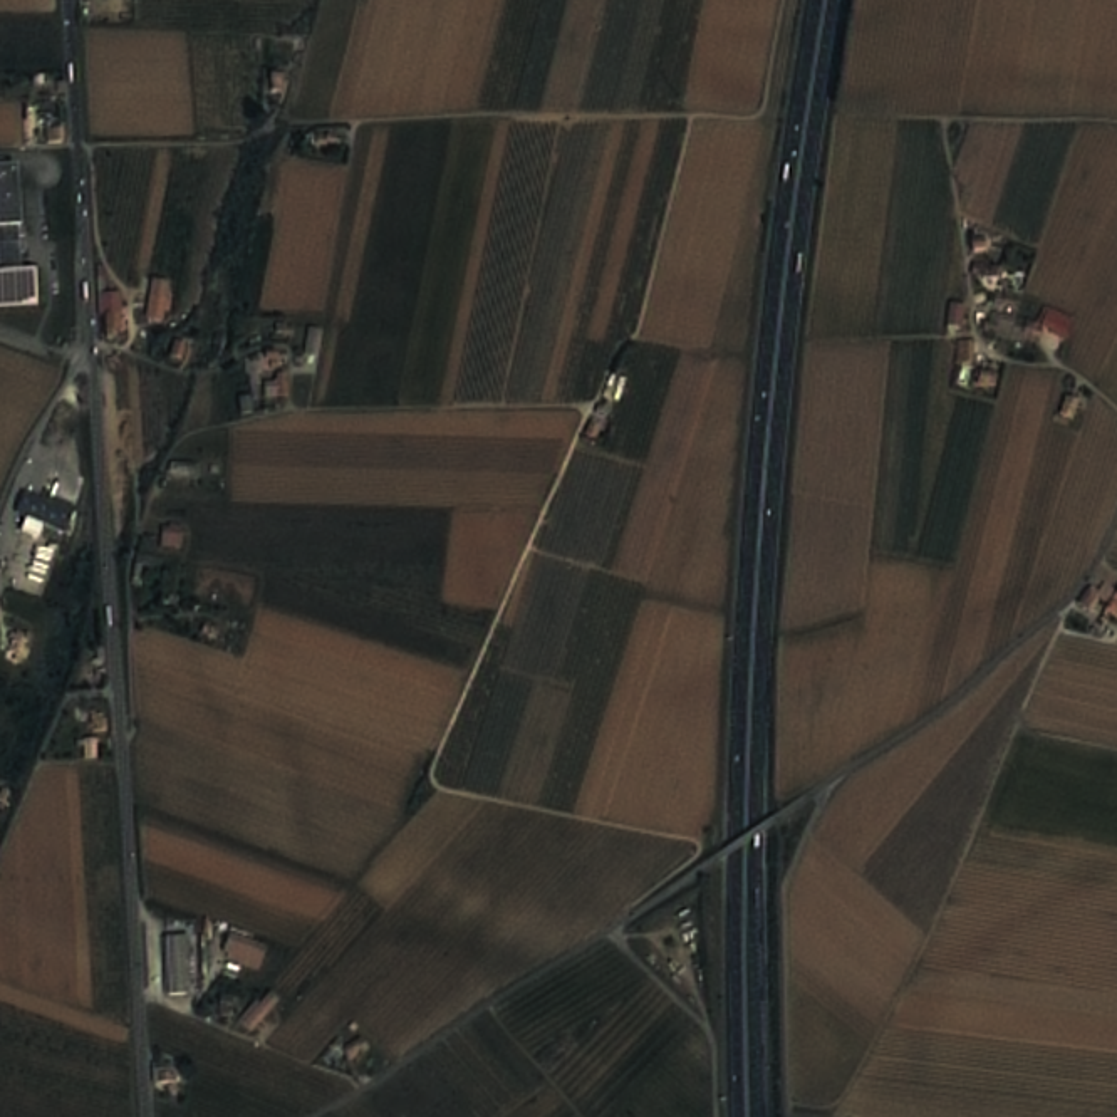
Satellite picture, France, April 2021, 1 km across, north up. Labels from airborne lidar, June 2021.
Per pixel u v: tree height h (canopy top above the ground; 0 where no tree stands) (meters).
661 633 0
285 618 0
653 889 0
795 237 0
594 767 0
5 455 0
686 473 0
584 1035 0
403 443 0
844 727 0
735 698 0
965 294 0
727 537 0
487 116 0
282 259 0
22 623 0
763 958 0
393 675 0
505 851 0
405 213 0
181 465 0
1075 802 0
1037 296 0
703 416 0
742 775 0
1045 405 0
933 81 0
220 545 0
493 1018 0
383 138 0
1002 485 0
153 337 8
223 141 0
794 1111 0
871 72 0
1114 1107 0
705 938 0
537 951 0
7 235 0
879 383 0
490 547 0
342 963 0
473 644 0
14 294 0
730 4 0
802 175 0
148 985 0
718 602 0
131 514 0
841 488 0
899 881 0
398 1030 0
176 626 7
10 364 0
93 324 0
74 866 0
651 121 0
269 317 7
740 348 0
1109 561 0
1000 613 0
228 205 9
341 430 0
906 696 0
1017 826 0
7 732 0
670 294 0
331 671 0
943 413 0
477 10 0
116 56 0
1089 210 0
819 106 0
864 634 0
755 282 0
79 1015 0
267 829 0
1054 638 0
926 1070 0
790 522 0
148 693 0
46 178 0
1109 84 0
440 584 0
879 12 0
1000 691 0
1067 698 0
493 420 0
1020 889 0
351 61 0
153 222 0
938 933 0
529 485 0
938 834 0
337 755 0
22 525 0
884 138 0
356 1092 0
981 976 0
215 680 0
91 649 6
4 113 0
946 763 0
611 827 0
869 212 0
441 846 0
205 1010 13
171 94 0
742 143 0
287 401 8
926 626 0
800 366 0
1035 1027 0
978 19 0
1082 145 0
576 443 0
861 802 0
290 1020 0
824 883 0
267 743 0
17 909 0
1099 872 0
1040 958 0
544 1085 0
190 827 0
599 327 0
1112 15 0
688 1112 0
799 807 0
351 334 0
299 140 8
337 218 0
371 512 0
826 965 0
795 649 0
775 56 0
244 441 0
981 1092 0
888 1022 0
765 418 0
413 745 0
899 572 0
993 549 0
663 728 0
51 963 0
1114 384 0
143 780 0
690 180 0
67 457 0
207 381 0
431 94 0
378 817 0
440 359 0
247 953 0
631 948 0
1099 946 0
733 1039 0
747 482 0
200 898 0
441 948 0
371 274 0
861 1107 0
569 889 0
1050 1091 0
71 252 0
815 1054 0
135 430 0
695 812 0
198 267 0
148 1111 0
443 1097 0
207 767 0
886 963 0
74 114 0
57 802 0
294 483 0
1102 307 0
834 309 0
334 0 0
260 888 0
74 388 0
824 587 0
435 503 0
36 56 0
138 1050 0
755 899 0
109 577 0
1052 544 0
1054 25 0
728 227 0
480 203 0
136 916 0
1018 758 0
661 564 0
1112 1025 0
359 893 0
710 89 0
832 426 0
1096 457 0
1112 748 0
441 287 0
